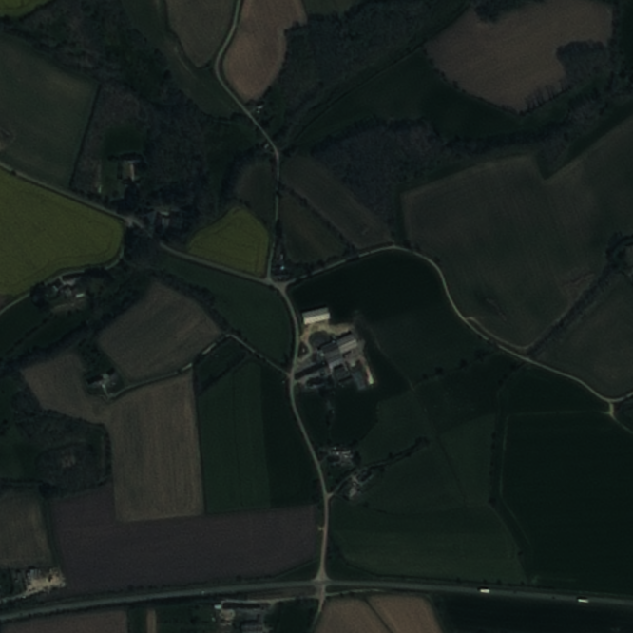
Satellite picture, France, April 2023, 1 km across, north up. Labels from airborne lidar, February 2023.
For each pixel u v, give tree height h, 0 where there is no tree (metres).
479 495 0
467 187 0
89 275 11
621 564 0
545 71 0
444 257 0
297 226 0
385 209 18
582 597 0
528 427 0
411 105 0
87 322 0
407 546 0
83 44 6
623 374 0
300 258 0
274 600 0
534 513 0
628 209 0
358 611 0
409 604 0
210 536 0
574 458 0
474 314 0
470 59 0
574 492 0
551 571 0
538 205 0
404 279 0
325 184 0
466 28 0
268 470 0
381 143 21
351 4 0
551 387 0
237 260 0
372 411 0
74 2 15
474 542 0
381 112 0
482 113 0
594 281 0
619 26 9
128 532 0
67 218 0
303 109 19
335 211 0
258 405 0
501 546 0
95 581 0
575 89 23
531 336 0
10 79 0
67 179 0
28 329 0
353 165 18
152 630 0
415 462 0
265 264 0
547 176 0
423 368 0
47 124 0
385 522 0
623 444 0
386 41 16
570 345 0
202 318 0
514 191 0
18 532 0
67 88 0
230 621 0
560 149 18
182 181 0
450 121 0
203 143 10
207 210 30
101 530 0
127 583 0
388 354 0
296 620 0
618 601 0
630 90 13
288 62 10
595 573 0
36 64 0
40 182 0
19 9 0
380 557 0
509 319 0
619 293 0
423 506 0
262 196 0
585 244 0
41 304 25
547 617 0
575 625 0
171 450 0
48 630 0
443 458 0
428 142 20
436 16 0
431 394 0
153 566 0
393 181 17
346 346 0
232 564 0
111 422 0
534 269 0
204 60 0
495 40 0
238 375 0
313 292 0
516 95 0
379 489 0
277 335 0
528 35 0
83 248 0
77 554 0
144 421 0
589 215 0
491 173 0
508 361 0
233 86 0
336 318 0
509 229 0
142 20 0
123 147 0
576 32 0
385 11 14
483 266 0
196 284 0
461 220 0
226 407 0
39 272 0
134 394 0
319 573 0
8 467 0
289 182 0
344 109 0
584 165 0
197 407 0
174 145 35
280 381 0
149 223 13
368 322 0
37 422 8
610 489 0
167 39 0
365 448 0
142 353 0
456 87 11
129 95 9
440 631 0
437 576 0
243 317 0
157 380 0
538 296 0
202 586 6
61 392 0
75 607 0
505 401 0
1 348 0
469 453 0
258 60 0
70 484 10
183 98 16
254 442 0
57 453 11
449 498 0
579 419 0
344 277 0
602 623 0
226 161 0
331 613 0
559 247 0
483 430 0
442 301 0
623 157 0
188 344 0
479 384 0
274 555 0
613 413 0
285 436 0
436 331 0
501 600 0
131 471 0
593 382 0
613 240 0
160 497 0
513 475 0
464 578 0
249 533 0
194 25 0
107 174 0
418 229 0
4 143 0
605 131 0
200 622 8
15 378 12
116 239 0
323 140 0
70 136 0
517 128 0
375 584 0
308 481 0
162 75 0
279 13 0
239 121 9
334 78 11
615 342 0
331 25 18
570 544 0
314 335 0
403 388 0
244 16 0
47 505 0
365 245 0
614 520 0
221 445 0
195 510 0
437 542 0
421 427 0
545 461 0
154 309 0
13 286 0
